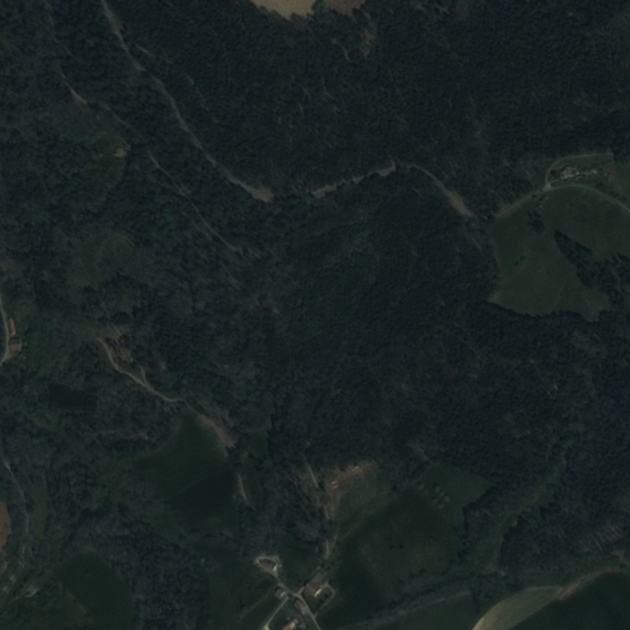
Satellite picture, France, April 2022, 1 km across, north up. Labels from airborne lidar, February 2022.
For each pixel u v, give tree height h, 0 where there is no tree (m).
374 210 18
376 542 0
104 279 0
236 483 0
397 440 17
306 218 20
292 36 21
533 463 7
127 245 0
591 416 26
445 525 0
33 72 26
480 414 22
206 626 27
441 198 20
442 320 20
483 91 24
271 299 15
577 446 21
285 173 20
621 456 21
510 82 22
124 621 0
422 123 24
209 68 20
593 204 0
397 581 0
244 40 23
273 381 16
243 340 22
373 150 24
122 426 14
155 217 23
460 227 22
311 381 20
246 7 22
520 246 0
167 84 14
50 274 24
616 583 0
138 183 26
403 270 21
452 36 23
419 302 20
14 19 24
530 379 25
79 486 13
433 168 22
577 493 27
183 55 16
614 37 23
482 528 30
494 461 25
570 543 23
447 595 16
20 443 36
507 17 28
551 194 0
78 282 0
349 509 0
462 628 0
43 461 35
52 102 28
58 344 18
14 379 20
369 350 14
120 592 0
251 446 0
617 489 23
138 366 12
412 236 20
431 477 0
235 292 33
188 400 31
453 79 20
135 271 0
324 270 12
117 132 32
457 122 24
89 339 0
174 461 0
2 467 32
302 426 23
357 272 18
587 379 29
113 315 24
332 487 0
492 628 0
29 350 7
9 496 18
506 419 20
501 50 25
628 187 0
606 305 0
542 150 20
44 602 9
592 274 8
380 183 19
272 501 26
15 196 25
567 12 24
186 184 6
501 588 18
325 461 22
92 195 29
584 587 0
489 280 19
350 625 0
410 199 22
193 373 38
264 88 18
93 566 0
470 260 19
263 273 12
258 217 25
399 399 20
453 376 20
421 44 23
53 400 11
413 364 20
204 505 0
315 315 19
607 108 18
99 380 32
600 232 0
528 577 17
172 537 0
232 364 27
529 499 22
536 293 0
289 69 23
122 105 28
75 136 30
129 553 39
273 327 24
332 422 21
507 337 26
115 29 26
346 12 0
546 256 0
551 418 15
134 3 19
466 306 17
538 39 24
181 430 28
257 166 24
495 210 9
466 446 26
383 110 20
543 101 23
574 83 20
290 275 21
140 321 23
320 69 23
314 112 20
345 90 20
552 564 27
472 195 20
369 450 25
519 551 22
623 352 24
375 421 20
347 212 16
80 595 0
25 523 27
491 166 24
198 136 21
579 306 0
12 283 11
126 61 29
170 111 23
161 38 17
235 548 18
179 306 36
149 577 29
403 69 22
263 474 27
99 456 13
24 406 31
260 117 19
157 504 18
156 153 15
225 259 19
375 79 18
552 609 0
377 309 19
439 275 13
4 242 31
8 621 6
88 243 23
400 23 23
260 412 31
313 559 0
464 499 0
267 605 0
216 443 0
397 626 0
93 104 33
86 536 37
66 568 0
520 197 7
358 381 20
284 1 0
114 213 32
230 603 0
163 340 28
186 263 22
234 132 20
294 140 18
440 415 21
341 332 15
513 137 25
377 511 0
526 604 0
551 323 20
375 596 0
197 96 22
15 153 26
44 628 0
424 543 0
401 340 17
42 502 0
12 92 27
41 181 24
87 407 12
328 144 24
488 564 0
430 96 21
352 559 0
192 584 32
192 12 19
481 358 20
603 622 0
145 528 32
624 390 23
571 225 0
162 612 31
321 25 24
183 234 22
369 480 0
